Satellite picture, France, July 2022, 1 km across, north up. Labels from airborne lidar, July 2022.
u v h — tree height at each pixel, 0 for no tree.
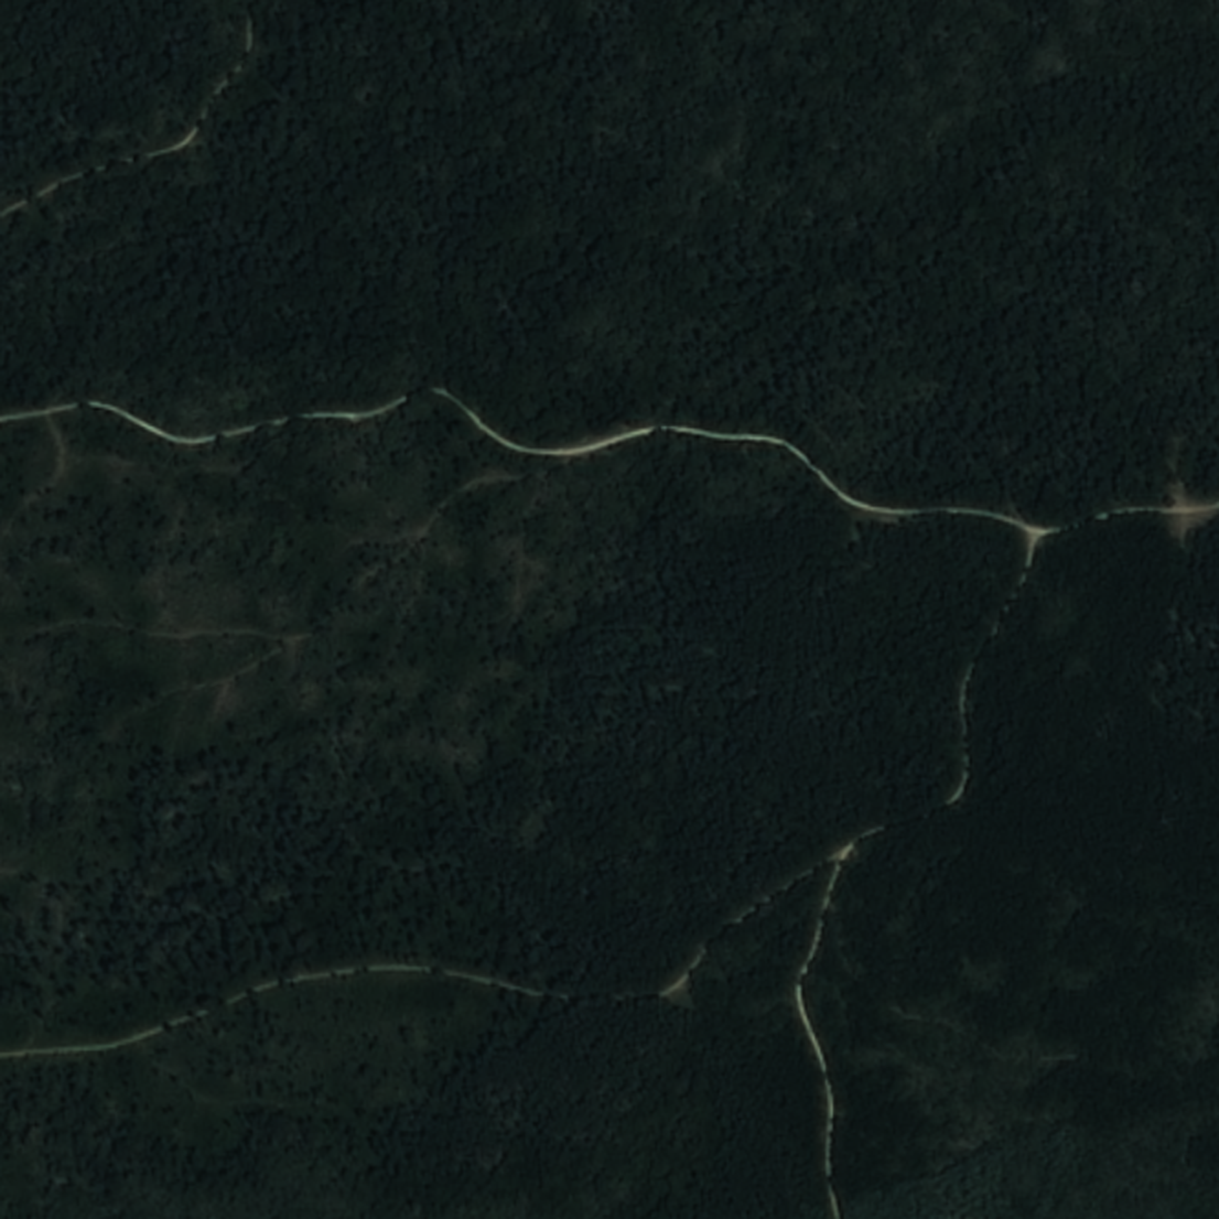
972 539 23
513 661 22
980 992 7
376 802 19
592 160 19
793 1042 11
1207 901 6
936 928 16
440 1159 16
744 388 27
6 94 6
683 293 14
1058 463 30
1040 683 10
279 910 18
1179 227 14
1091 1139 6
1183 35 28
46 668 11
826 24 14
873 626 11
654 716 20
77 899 6
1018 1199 7
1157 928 6
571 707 20
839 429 7
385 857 18
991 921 9
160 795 11
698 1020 18
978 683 9
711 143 10
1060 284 28
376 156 21
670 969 15
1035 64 18
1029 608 11
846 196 6
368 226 9
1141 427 16
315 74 15
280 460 18
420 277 13
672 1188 17
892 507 7
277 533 20
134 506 7
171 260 11
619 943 24
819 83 9
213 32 23
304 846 32
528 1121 13
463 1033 6
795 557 19
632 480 14
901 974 11
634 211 13
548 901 22
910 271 26
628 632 22
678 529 21
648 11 16
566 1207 9
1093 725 10
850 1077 8
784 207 18
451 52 28
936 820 12
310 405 10
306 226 23
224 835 20
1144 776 13
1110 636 9
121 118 24
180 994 6
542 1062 23
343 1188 11
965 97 9
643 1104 11
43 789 9
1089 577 15
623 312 8
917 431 11
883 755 24
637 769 16
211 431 6
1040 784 16
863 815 17
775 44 6
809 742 18
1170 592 15
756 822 18
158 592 0
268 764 7
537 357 17
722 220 15
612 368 14
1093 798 15
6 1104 8
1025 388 14
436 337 13
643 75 13
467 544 11
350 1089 6
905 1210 10
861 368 12
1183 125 16
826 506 14
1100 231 13
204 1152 8
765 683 22
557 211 12
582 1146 15
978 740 16
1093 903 12
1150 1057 8
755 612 20
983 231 19
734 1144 21
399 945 16
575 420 8
